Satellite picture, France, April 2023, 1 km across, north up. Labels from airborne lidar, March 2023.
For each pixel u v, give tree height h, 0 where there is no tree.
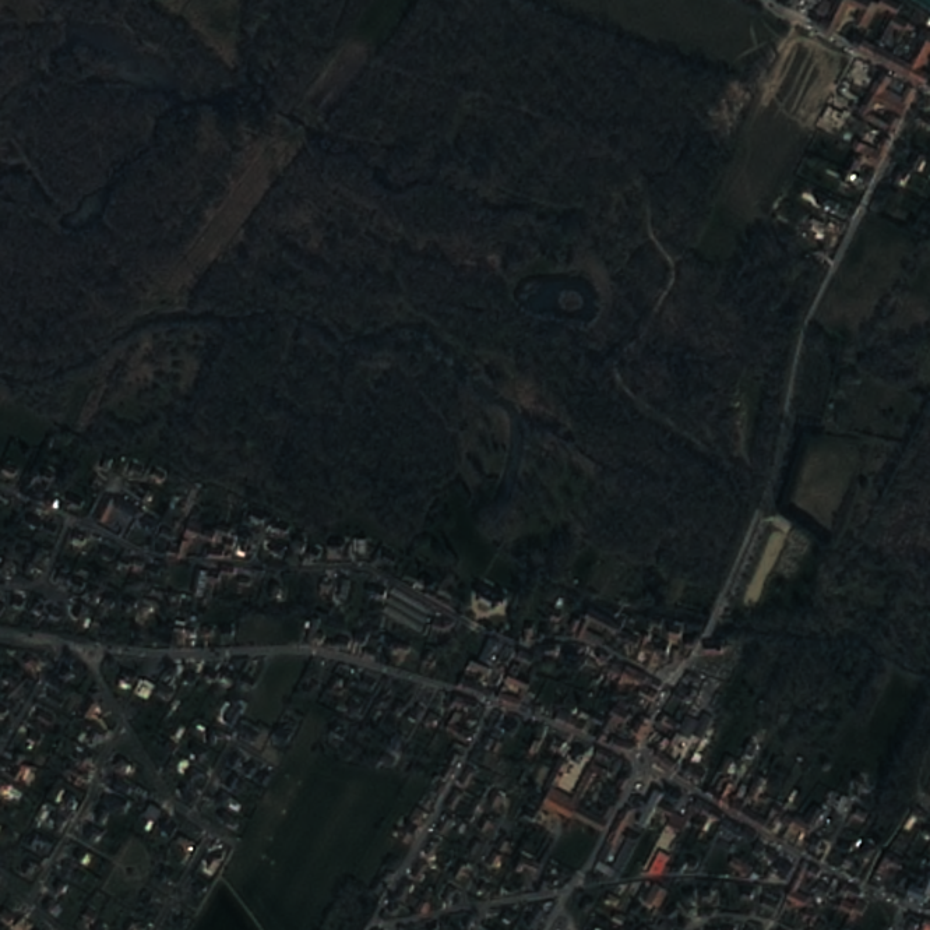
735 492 23
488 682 0
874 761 0
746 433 0
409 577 0
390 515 27
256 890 0
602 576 0
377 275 17
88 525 0
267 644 0
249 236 6
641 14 0
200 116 21
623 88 22
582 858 0
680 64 25
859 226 0
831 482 0
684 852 8
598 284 0
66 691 13
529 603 15
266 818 0
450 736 7
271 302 18
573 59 22
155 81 0
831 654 10
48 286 18
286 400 20
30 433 0
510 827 0
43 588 0
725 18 0
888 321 17
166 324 9
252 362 28
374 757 7
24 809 6
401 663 0
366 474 29
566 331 19
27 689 10
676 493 18
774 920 0
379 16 0
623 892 0
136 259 22
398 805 0
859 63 0
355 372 22
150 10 16
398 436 25
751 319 21
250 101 23
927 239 14
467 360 6
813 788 0
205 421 22
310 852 0
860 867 7
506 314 19
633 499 25
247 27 12
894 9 0
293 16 17
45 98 17
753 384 0
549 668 13
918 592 18
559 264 23
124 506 0
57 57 13
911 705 0
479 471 21
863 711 23
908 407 0
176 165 20
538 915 0
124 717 0
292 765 0
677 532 21
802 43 0
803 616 19
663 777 0
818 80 0
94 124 19
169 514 16
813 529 16
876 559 12
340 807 0
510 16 21
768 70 20
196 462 26
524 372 20
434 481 25
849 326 0
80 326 19
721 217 0
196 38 8
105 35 0
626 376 34
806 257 24
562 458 19
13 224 28
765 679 14
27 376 17
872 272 0
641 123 21
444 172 20
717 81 24
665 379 21
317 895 0
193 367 0
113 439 16
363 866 0
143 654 0
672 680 0
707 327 15
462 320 23
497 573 0
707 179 24
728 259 0
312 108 0
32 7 0
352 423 22
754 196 0
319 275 22
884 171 0
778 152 0
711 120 26
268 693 0
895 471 15
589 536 19
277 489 22
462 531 0
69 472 18
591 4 0
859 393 14
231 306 19
